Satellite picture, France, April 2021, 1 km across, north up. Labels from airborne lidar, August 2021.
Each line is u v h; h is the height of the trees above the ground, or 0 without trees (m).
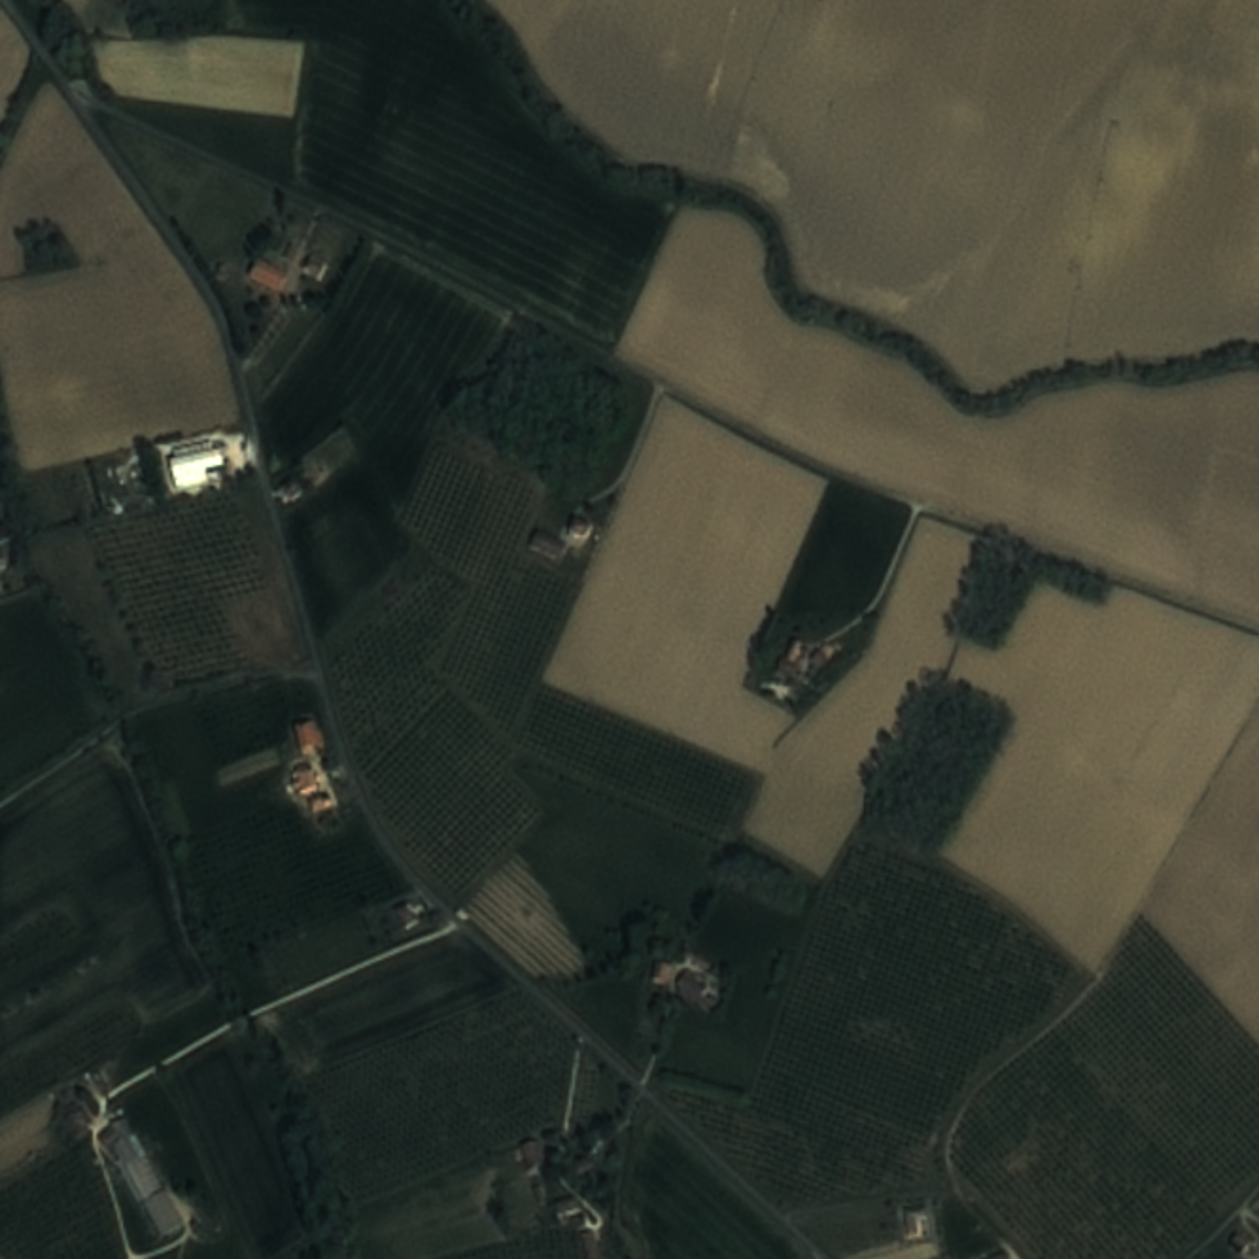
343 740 0
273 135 0
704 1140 0
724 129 0
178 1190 7
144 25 17
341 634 0
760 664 11
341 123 0
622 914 0
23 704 0
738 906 0
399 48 0
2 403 16
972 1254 0
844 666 8
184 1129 0
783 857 0
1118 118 0
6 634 0
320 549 0
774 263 9
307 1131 18
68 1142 6
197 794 0
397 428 0
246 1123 0
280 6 0
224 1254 0
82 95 0
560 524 0
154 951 0
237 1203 0
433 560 0
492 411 17
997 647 16
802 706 5
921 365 13
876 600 0
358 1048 0
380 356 0
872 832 0
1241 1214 0
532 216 0
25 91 6
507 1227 19
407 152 0
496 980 0
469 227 0
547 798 0
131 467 0
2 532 9
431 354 0
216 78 0
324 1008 0
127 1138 0
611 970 9
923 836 18
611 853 0
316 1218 18
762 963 0
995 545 13
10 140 13
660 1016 8
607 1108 0
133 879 0
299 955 0
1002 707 17
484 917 0
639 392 0
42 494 0
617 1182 7
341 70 0
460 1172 0
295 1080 16
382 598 0
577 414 26
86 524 15
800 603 0
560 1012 0
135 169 0
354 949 0
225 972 14
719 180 0
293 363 0
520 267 0
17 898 0
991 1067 0
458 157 0
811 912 0
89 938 0
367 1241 0
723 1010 8
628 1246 0
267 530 0
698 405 0
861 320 11
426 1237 0
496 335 0
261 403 0
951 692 17
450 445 0
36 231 12
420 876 0
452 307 0
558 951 0
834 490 0
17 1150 0
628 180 12
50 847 0
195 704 7
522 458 16
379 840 0
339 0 0
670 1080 9
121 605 12
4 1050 0
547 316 0
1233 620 0
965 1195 0
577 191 0
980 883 0
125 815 0
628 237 0
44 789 0
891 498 0
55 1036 0
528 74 8
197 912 13
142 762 14
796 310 10
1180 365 11
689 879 0
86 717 0
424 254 0
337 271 0
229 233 0
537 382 22
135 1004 0
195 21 10
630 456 0
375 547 0
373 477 0
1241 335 0
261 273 0
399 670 6
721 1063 0
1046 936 0
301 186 0
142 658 9
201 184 0
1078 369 13
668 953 10
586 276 0
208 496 11
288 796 0
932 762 21
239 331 18
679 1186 0
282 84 0
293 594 0
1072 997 0
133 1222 0
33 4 10
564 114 14
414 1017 0
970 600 16
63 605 10
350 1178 5
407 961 0
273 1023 0
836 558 0
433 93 0
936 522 0
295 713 0
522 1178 0
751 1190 0
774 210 0
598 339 0
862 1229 0
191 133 0
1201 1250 0
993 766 12
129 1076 0
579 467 21
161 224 0
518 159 0
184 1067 0
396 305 0
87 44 14
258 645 0
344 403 0
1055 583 18
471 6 9
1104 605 16
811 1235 0
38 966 0
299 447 0
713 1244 0
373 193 0
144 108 0
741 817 0
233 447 0
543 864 0
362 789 0
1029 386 9
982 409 11
